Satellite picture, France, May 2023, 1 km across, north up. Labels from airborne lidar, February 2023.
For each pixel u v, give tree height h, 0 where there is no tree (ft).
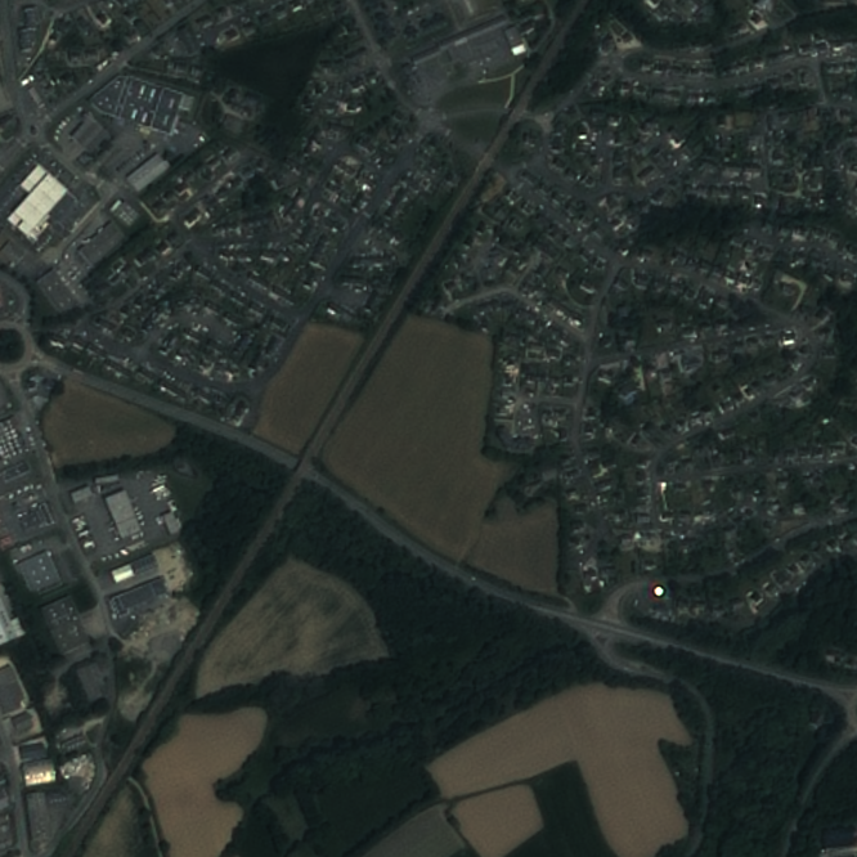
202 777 0
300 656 0
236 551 31
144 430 0
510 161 0
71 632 0
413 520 0
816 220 19
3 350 37
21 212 0
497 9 0
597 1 34
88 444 0
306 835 33
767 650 70
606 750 0
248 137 0
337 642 0
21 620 32
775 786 80
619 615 0
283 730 0
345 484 0
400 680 32
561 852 0
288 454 0
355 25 23
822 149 22
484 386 0
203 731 0
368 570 67
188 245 0
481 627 54
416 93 0
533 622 54
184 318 0
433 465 0
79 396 0
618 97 28
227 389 0
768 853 70
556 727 0
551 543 0
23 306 0
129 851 0
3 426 0
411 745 54
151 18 0
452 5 0
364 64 0
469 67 0
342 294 0
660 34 29
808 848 31
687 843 0
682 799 43
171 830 0
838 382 36
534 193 0
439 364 0
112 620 0
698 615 0
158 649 0
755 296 0
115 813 0
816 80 0
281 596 0
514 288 0
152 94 0
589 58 37
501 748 0
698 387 27
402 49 0
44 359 0
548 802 0
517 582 0
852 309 49
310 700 32
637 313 31
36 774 0
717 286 0
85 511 0
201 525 52
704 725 36
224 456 35
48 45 0
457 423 0
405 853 0
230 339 0
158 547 0
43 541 0
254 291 0
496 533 0
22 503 0
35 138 0
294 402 0
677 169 0
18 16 0
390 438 0
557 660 66
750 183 0
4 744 0
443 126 0
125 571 0
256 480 25
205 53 40
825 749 54
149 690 0
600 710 0
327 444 0
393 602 71
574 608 0
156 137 0
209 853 0
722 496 0
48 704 0
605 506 0
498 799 0
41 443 0
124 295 0
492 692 49
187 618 0
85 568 0
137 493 0
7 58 0
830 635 74
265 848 0
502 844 0
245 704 30
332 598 0
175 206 0
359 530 52
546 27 49
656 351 0
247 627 0
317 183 0
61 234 0
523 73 0
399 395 0
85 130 0
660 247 48
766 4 0
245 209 36
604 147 0
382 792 0
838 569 49
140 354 0
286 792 42
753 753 74
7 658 0
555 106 0
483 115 0
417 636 63
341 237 0
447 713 39
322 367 0
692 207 41
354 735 0
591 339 0
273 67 0
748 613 0
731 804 58
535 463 37
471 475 0
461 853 0
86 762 0
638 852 0
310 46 0
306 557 61
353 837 0
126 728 0
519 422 0
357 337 0
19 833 0
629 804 0
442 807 0
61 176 0
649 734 0
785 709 69
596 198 0
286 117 0
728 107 38
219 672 0
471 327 22
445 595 73
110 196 0
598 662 40
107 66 0
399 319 0
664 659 50
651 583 0
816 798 29
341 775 72
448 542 0
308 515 62
